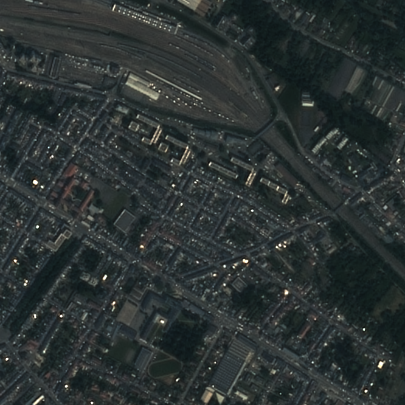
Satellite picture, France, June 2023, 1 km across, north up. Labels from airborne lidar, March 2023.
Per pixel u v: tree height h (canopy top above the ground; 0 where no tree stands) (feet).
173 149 33
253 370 0
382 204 0
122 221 0
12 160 32
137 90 0
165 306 0
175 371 0
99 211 0
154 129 0
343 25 0
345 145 39
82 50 0
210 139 0
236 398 0
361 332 0
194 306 0
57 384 0
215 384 0
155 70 0
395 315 19
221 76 0
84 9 0
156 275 0
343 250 29
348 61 0
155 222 0
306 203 0
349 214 0
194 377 0
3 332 0
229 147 0
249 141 0
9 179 0
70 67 0
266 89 0
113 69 0
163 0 0
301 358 0
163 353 0
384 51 47
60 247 38
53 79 0
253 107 0
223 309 0
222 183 0
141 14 0
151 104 0
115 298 0
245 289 56
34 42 0
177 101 0
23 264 28
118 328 0
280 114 0
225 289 0
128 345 0
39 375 0
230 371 0
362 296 39
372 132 0
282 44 65
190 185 0
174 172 0
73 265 39
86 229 0
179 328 46
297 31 37
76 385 19
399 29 36
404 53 0
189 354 66
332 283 25
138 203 0
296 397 0
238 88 0
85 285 47
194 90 0
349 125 0
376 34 60
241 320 0
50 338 0
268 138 0
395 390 0
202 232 0
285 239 0
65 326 28
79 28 0
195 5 0
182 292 0
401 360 0
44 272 45
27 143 0
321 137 0
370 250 38
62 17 0
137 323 0
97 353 35
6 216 0
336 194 0
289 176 0
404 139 0
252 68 0
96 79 0
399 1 36
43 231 0
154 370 0
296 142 0
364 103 37
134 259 0
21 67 27
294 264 42
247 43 0
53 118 31
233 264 0
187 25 0
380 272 31
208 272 0
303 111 0
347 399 0
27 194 0
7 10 0
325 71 28
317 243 25
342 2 0
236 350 0
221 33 0
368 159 32
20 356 52
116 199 0
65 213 0
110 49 0
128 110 0
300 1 25
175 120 0
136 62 0
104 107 0
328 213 0
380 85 0
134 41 0
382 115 0
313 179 0
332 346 51
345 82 0
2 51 0
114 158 19
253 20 22
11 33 0
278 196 0
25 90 0
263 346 0
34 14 0
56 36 0
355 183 0
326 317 0
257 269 0
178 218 0
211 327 0
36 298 35
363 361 0
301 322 0
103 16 0
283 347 0
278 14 35
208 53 0
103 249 0
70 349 0
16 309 32
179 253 0
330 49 23
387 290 18
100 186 0
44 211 0
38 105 22
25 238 0
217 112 0
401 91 0
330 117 62
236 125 0
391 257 0
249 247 0
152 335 0
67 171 0
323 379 0
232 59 0
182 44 0
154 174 31
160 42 0
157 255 18
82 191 64
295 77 41
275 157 0
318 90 35
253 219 0
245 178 0
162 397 0
